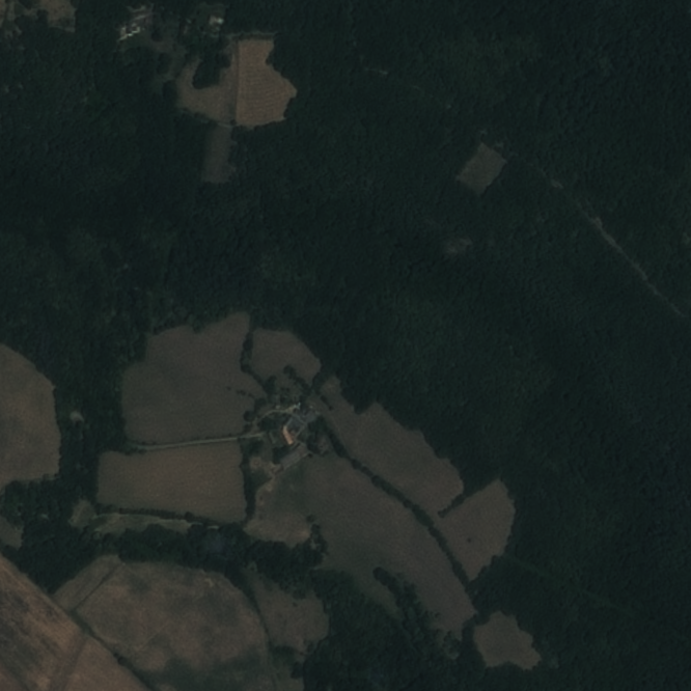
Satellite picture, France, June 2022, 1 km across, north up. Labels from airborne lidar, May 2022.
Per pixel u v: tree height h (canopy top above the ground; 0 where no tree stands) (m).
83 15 18
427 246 17
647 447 16
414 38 19
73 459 17
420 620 15
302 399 10
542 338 18
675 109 12
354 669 16
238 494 0
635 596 24
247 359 9
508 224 12
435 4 24
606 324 14
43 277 17
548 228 17
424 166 14
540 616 22
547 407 23
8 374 0
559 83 15
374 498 0
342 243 17
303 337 12
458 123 11
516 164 13
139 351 20
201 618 0
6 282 15
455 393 12
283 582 6
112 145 18
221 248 26
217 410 0
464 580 13
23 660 0
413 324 10
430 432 14
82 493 14
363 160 18
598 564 24
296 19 13
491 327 14
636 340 15
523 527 15
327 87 18
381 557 0
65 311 14
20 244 14
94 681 0
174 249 13
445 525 0
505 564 19
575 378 27
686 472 19
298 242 18
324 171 18
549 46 21
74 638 0
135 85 21
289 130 14
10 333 8
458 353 14
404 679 22
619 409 10
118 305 21
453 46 13
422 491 0
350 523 0
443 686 15
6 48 11
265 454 0
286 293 20
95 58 13
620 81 22
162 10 9
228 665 0
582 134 19
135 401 0
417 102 14
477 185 0
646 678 20
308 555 6
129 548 12
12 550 12
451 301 12
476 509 0
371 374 15
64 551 14
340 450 12
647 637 25
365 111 18
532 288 10
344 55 17
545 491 13
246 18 12
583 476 18
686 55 17
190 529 7
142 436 0
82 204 24
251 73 0
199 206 12
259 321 8
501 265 13
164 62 17
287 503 0
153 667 0
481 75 16
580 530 15
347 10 19
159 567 0
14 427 0
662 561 18
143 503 0
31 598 0
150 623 0
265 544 10
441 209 15
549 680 15
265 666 0
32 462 0
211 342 0
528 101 19
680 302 13
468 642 10
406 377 10
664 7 21
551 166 13
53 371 16
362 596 9
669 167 21
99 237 14
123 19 16
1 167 20
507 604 15
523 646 0
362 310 10
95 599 0
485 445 13
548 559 15
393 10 21
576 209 10
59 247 16
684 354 16
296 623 0
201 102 0
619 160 20
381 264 20
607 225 9
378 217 20
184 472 0
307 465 0
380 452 0
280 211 16
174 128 14
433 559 0
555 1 19
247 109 0
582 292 16
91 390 13
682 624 24
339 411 0
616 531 15
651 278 11
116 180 16
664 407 17
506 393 18
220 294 17
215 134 0
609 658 18
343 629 12
